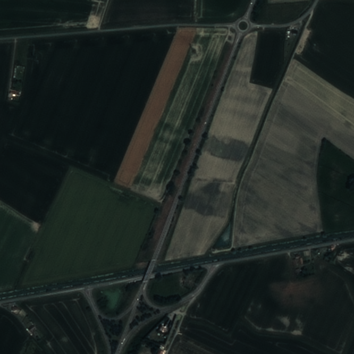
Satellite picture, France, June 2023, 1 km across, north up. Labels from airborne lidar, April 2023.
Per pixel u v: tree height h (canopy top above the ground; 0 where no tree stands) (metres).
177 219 0
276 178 0
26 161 0
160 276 18
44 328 0
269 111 0
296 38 0
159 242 0
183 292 0
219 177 0
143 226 0
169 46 0
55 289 0
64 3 0
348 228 0
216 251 0
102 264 0
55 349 0
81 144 0
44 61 0
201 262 0
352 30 0
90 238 0
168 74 0
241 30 0
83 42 0
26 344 0
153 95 0
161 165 0
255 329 0
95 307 0
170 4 0
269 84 0
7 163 0
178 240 0
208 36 0
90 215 0
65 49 0
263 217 0
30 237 0
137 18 0
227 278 0
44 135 0
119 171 0
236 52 0
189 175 14
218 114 0
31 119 0
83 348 0
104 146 0
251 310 0
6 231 0
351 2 0
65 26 0
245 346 0
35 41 0
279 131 0
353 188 22
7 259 0
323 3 0
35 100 0
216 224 0
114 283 0
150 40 0
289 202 0
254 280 0
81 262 0
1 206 0
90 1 0
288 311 0
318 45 0
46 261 0
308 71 0
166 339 8
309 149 0
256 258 0
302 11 0
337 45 0
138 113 0
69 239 0
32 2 0
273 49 0
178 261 0
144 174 0
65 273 0
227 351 0
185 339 0
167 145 0
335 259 0
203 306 0
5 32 0
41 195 0
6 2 0
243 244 0
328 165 0
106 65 0
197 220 0
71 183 0
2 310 0
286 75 0
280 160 0
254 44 0
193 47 0
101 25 0
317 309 0
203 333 0
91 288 0
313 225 0
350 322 0
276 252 0
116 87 0
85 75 0
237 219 0
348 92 0
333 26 0
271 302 0
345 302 0
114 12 0
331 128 0
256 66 0
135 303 0
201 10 0
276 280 0
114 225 0
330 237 0
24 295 0
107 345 0
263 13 0
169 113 0
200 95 0
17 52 0
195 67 0
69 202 0
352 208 0
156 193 0
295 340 0
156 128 0
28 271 0
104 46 0
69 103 0
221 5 0
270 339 0
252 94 0
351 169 0
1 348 0
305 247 0
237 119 0
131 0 0
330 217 0
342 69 0
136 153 0
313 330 0
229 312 0
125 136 0
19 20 0
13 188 0
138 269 0
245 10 0
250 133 0
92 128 0
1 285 0
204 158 0
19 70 0
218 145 0
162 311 0
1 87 0
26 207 0
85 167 0
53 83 0
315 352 0
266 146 0
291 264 0
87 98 0
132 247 0
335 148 0
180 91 0
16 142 0
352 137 0
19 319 0
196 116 0
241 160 0
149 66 0
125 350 0
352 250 0
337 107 0
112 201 0
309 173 0
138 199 0
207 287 0
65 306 0
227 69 0
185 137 0
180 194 0
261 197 0
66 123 0
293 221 0
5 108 0
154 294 0
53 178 0
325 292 0
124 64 0
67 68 0
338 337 0
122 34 0
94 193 0
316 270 0
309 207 0
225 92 0
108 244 0
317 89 0
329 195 0
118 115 0
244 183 0
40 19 0
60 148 0
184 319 0
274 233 0
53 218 0
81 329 0
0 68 0
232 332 0
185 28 0
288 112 0
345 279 0
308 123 0
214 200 0
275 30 0
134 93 0
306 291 0
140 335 0
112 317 0
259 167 0
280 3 0
